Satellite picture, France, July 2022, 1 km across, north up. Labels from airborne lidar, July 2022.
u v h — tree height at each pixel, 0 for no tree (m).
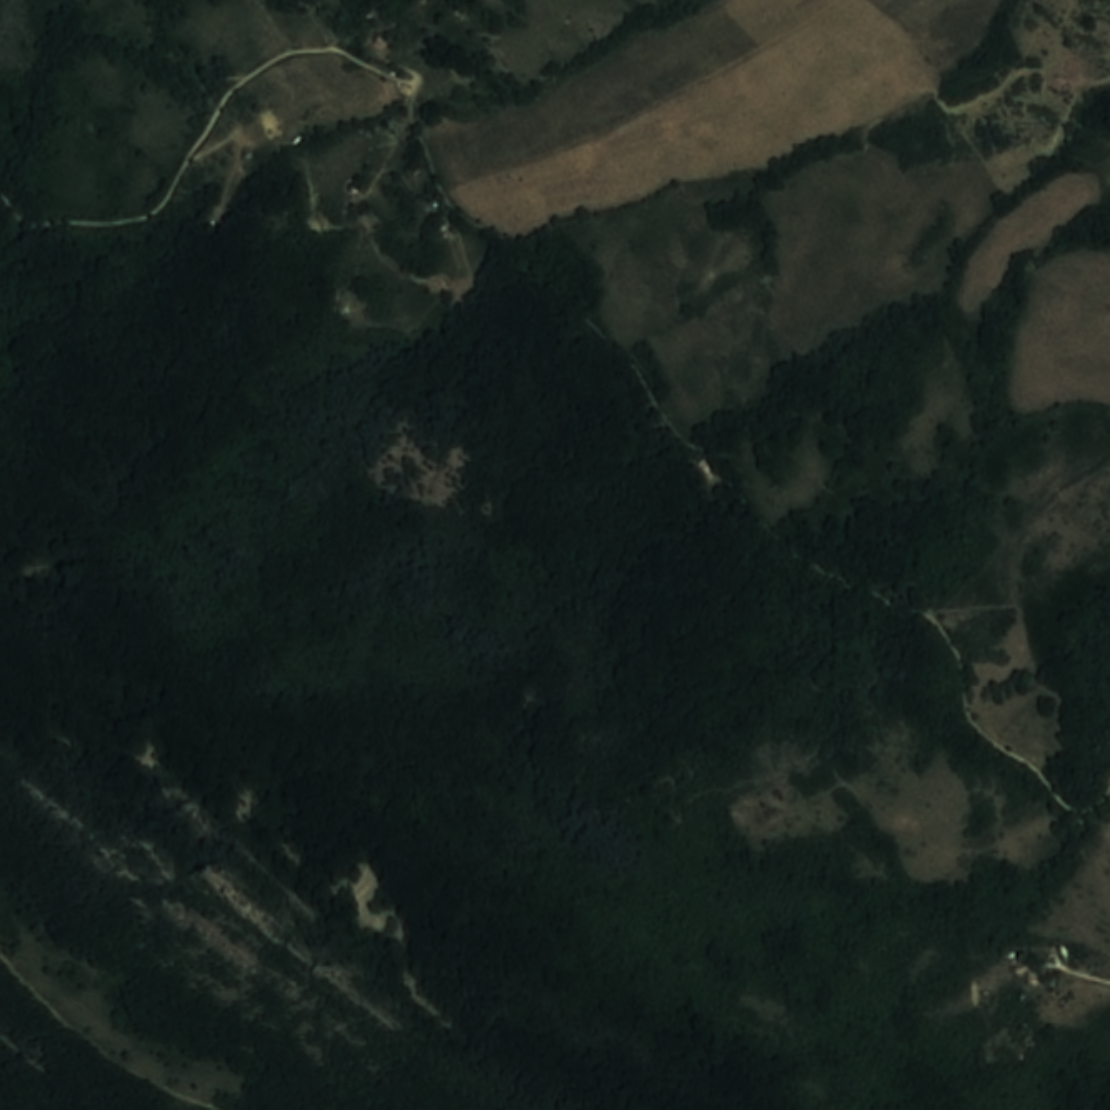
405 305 0
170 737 22
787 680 15
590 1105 19
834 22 0
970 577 7
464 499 10
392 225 6
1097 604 9
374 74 0
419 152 11
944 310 8
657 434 13
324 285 19
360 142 0
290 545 8
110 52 14
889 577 16
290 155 8
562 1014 8
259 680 12
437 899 20
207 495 6
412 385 17
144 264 5
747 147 0
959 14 0
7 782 9
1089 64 0
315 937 20
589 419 16
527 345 16
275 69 0
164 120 0
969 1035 6
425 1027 11
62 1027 12
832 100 0
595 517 17
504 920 16
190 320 16
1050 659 7
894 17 0
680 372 0
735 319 0
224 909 6
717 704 17
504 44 0
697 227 0
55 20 16
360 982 11
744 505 15
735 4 0
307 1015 8
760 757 0
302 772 9
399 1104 15
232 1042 11
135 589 7
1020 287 19
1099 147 0
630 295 0
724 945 7
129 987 12
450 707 15
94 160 0
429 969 19
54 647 15
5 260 7
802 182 0
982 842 0
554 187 0
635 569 14
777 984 8
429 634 5
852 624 8
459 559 12
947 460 8
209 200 18
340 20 10
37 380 17
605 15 0
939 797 0
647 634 12
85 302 14
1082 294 0
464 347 16
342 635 7
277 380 12
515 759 15
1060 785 12
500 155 0
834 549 13
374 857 15
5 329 7
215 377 17
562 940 9
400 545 13
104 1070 13
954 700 9
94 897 9
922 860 0
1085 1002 0
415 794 9
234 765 21
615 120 0
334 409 14
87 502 8
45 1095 10
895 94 0
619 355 14
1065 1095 10
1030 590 0
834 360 15
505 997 13
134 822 16
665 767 9
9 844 21
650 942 6
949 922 9
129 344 15
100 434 20
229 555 10
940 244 0
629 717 11
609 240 0
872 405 6
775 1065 13
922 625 7
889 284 0
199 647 8
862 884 7
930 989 6
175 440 16
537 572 6
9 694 22
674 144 0
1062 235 10
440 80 0
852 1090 6
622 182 0
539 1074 19
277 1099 15
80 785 8
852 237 0
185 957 7
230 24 0
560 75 8
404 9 13
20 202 15
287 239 10
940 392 0
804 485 0
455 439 8
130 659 22
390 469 8
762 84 0
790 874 6
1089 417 0
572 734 15
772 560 17
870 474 0
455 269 0
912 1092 7
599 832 17
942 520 10
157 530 14
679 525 12
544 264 10
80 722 23
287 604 9
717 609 16
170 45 7
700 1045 14
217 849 21
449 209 10
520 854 15
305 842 16
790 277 0
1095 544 0
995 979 0
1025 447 0
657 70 0
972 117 0
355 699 13
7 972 14
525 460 11
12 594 15
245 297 12
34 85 12
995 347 15
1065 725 12
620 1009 10
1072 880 0
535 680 13
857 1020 6
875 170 0
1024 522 0
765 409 13
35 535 19
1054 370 0
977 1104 6
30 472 19
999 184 0
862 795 0
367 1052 11
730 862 14
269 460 7
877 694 12
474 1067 13
